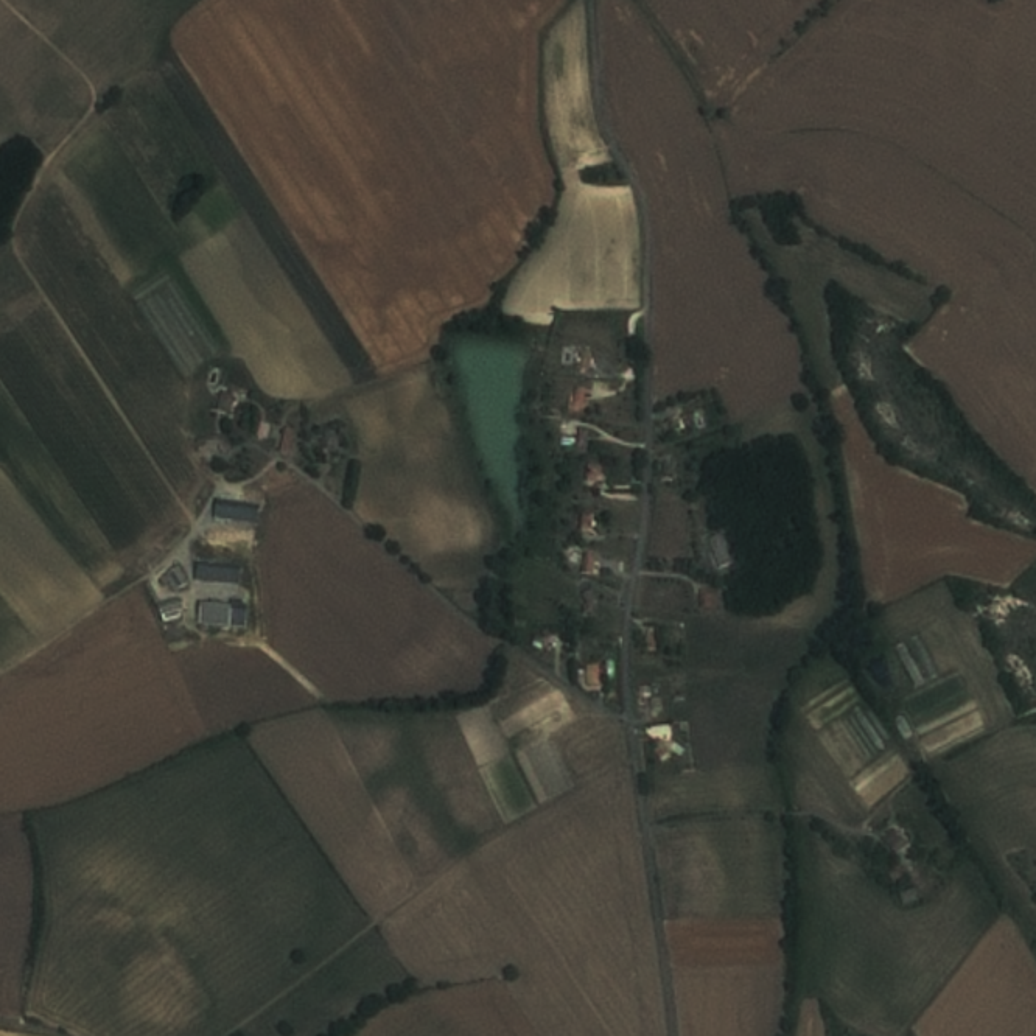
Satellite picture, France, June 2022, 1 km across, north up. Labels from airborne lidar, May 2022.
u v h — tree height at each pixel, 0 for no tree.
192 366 0
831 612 0
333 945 0
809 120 0
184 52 0
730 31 0
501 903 0
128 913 0
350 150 0
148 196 0
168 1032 0
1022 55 0
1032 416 0
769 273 19
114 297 0
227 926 0
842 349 11
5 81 0
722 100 0
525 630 0
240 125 0
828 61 0
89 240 0
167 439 0
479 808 0
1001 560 0
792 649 0
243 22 0
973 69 0
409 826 0
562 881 0
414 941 0
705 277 0
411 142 0
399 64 0
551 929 0
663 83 0
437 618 0
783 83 0
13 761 0
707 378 0
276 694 0
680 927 0
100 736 0
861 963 0
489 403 0
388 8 0
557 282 0
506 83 0
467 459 0
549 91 0
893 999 0
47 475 0
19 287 0
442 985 11
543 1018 0
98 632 0
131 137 0
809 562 22
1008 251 0
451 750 0
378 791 0
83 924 0
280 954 0
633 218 0
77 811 0
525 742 0
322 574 0
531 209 0
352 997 0
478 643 0
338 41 0
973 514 12
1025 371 0
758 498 19
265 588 0
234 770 0
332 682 0
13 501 0
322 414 0
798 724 0
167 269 0
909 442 0
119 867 0
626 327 0
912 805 0
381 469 0
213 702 0
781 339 0
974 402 0
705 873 0
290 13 0
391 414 0
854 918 0
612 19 0
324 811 0
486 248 0
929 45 0
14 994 0
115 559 0
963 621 0
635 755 0
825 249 0
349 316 0
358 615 0
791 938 12
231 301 0
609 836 0
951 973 0
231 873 0
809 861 0
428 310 0
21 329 0
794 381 0
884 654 0
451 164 0
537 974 0
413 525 0
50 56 0
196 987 0
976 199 0
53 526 0
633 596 0
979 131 0
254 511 0
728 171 0
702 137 0
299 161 0
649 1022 0
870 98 0
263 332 0
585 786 0
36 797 0
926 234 0
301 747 0
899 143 0
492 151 0
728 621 0
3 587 0
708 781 0
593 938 0
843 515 20
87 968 0
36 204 0
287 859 0
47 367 0
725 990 0
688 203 0
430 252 0
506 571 25
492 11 0
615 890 0
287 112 0
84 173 0
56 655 0
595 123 0
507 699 0
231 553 0
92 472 0
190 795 0
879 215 0
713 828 0
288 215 0
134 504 0
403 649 0
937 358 0
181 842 0
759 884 0
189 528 0
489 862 0
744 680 0
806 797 0
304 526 0
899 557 0
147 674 0
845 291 9
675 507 0
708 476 15
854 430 0
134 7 0
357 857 0
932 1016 0
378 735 0
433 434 0
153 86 0
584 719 0
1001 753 0
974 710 0
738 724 0
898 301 0
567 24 0
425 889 0
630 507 0
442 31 0
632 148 0
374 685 0
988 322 0
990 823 0
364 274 0
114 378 0
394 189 0
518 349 0
